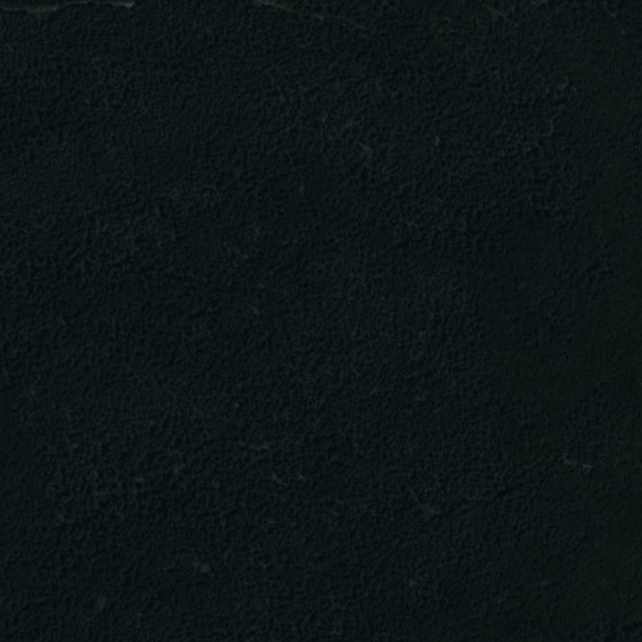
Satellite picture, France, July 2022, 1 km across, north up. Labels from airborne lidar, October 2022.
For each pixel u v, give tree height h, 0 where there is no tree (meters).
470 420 14
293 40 18
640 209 19
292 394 13
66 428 13
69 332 17
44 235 23
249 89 15
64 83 22
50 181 14
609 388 27
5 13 20
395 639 10
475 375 6
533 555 20
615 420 24
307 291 14
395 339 16
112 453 32
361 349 16
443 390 13
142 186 19
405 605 18
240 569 17
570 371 18
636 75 30
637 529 25
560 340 22
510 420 20
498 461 17
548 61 15
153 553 19
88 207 9
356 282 15
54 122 15
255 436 20
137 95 16
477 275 22
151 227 12
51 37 14
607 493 20
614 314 16
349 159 14
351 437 16
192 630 20
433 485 20
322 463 22
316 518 12
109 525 25
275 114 11
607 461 22
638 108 24
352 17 14
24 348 17
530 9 22
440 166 16
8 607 25
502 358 15
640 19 22
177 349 23
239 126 18
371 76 9
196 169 20
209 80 17
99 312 17
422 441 14
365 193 22
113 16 15
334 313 12
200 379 16
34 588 20
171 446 20
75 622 27
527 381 20
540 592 24
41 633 22
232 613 15
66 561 20
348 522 16
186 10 11
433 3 21
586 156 13
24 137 17
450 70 21
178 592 19
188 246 21
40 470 14
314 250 19
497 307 17
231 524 13
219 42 16
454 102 13
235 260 19
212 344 22
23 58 21
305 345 13
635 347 17
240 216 21
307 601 21
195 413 18
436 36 18
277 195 16
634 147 29
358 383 17
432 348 17
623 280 23
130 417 16
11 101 14
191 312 20
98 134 19
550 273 24
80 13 18
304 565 23
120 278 21
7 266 22
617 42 21
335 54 19
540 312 24
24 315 18
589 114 18
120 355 18
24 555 16
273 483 13
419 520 19
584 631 23
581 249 18
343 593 20
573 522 21
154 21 19
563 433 20
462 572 15
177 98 18
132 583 22
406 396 16
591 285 23
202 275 16
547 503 19
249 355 16
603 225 22
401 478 21
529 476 13
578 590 24
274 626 21
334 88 15
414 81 21
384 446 8
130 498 26
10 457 20
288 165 15
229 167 15
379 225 18
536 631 24
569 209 12
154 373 18
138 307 18
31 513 23
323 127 26
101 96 12
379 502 18
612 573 22
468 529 31
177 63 11
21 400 8
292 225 17
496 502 17
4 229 19
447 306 9
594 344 16
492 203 23
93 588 22
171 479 23
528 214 26
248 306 18
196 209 17
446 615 22
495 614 19
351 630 19
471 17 21
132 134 10
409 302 12
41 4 18
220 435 8
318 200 20
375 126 25
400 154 14
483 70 7
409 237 12
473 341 12
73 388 14
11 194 17
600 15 25
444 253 23
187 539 19
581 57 18
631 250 13
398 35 19
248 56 13
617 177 13
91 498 20
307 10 16
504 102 24
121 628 21
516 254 25
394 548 10
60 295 22
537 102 14
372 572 18
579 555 22
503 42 15
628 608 26
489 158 26
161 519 24
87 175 13
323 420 20
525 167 17
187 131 14
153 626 15
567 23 20
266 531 15
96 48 19
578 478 16
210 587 20
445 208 25
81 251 22
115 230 22
